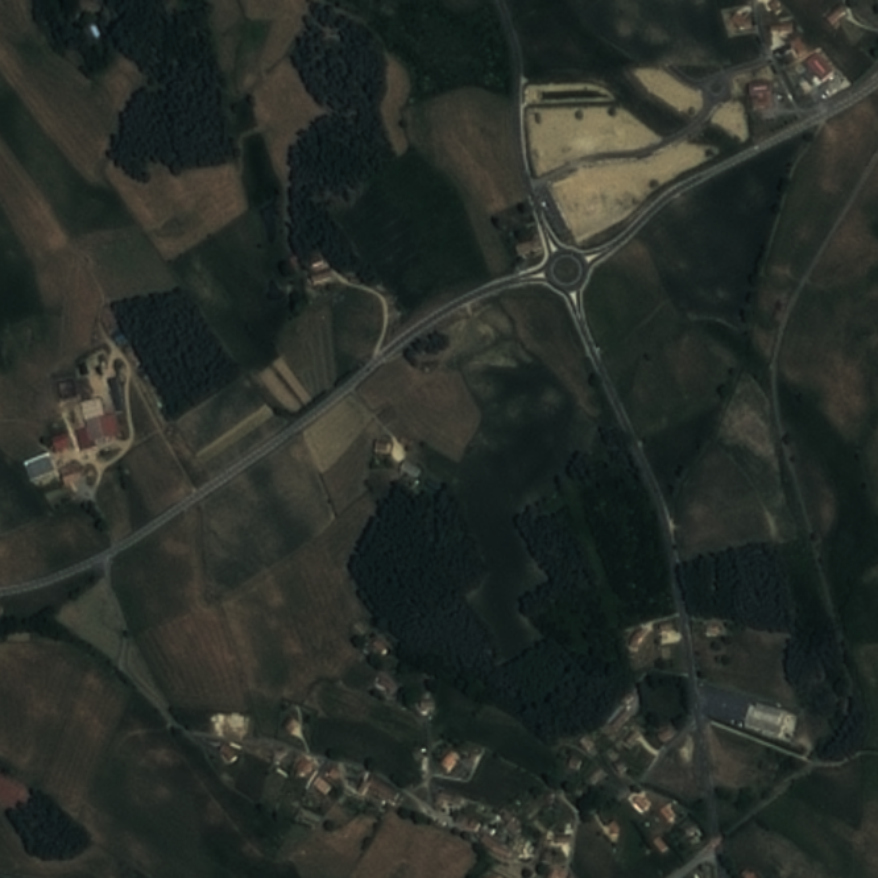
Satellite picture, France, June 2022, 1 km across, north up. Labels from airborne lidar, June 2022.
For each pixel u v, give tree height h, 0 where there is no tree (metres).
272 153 0
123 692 0
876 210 0
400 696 8
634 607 8
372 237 0
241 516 0
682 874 0
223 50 0
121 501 0
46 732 0
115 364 0
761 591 21
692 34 0
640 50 0
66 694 0
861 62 0
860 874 0
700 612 13
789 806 0
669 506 0
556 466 0
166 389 18
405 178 0
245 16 0
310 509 0
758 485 0
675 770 0
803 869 0
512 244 12
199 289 0
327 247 20
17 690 0
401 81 0
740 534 0
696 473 0
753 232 0
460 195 0
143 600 0
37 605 0
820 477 0
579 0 0
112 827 0
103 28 10
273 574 0
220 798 0
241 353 0
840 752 24
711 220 0
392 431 0
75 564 0
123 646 0
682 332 0
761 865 0
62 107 0
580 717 21
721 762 0
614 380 0
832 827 0
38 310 0
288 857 0
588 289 0
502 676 17
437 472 0
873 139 0
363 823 0
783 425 0
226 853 0
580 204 0
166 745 0
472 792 0
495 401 0
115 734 0
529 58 0
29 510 0
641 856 0
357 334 0
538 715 28
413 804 0
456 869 0
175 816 0
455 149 0
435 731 0
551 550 19
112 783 0
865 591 0
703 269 0
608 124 0
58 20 15
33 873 0
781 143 0
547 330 0
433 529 25
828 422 0
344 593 0
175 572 0
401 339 0
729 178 0
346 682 0
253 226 0
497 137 0
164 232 0
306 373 0
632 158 0
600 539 9
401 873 0
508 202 0
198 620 0
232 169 0
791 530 0
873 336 0
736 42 0
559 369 0
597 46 0
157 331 21
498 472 0
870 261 0
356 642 15
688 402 0
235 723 0
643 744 0
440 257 0
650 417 0
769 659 0
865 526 0
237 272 0
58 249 0
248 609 0
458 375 0
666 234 0
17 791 0
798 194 0
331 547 0
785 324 0
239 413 0
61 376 0
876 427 0
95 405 0
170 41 15
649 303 0
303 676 0
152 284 0
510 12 0
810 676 18
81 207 0
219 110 19
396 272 0
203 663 0
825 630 11
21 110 0
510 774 0
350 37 19
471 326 0
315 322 0
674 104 0
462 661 19
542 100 0
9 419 0
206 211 0
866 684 0
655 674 6
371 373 0
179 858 0
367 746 0
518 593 0
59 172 0
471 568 26
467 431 0
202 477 0
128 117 17
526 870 11
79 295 0
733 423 0
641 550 7
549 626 8
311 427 0
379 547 25
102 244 0
